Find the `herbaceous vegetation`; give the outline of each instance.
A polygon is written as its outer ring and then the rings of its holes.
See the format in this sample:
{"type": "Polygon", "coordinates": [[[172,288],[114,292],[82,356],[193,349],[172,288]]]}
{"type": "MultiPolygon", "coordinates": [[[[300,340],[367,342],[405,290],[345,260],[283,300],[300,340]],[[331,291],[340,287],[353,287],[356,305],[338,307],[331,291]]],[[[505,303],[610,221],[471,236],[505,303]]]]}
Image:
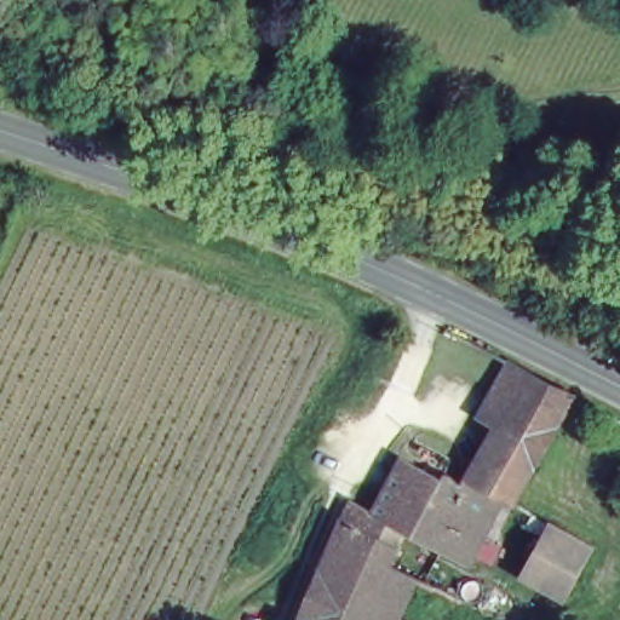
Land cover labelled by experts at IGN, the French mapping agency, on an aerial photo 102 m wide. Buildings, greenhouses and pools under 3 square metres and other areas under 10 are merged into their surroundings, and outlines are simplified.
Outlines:
{"type": "Polygon", "coordinates": [[[126,194],[53,172],[41,165],[22,167],[19,162],[5,162],[5,172],[12,172],[15,177],[27,174],[29,196],[44,211],[31,213],[22,223],[22,230],[36,228],[44,233],[56,233],[75,245],[109,247],[121,257],[136,254],[140,262],[150,266],[194,276],[199,283],[216,283],[220,286],[223,295],[259,303],[264,310],[271,310],[283,320],[305,320],[308,325],[315,325],[332,334],[332,349],[320,368],[320,375],[312,380],[305,395],[300,417],[286,438],[286,448],[274,465],[271,480],[264,487],[259,504],[254,506],[252,516],[245,523],[245,530],[235,543],[230,562],[220,574],[211,608],[203,620],[295,620],[303,596],[312,581],[327,540],[334,530],[334,523],[344,511],[344,496],[332,499],[329,484],[317,477],[317,446],[325,431],[329,431],[337,424],[339,417],[349,414],[351,419],[361,419],[375,409],[388,383],[392,380],[392,373],[402,354],[395,346],[380,341],[378,337],[385,329],[397,327],[400,320],[407,320],[404,310],[395,298],[375,288],[356,288],[334,276],[317,274],[312,269],[295,264],[291,266],[291,262],[283,257],[274,252],[262,252],[233,237],[206,242],[206,247],[201,247],[196,245],[199,220],[191,225],[182,218],[174,218],[172,213],[153,213],[148,206],[131,206],[124,199],[126,194]]]}
{"type": "Polygon", "coordinates": [[[448,383],[465,385],[470,390],[470,397],[482,404],[501,371],[501,363],[494,358],[499,358],[501,354],[496,344],[487,344],[470,337],[467,329],[450,332],[448,325],[438,325],[414,397],[426,400],[434,388],[434,380],[443,378],[448,383]]]}
{"type": "Polygon", "coordinates": [[[417,94],[417,107],[424,104],[436,116],[443,109],[450,109],[470,99],[475,90],[489,85],[489,80],[494,78],[501,80],[494,94],[499,124],[511,119],[511,97],[516,94],[518,99],[535,102],[540,107],[538,121],[552,133],[552,138],[567,140],[569,145],[574,140],[584,140],[589,143],[593,157],[601,150],[615,148],[620,131],[620,34],[608,34],[596,24],[584,22],[579,10],[569,0],[562,0],[540,29],[513,29],[509,17],[504,17],[501,12],[487,12],[480,0],[334,0],[344,10],[344,19],[349,22],[346,29],[351,29],[361,41],[351,61],[354,70],[349,75],[373,73],[378,61],[392,56],[402,34],[417,36],[421,44],[436,48],[446,70],[431,73],[431,78],[421,85],[417,94]]]}
{"type": "Polygon", "coordinates": [[[404,576],[412,576],[419,584],[409,596],[407,620],[620,620],[620,448],[591,455],[581,443],[584,412],[591,400],[584,395],[581,400],[572,402],[567,419],[562,421],[562,434],[552,436],[545,450],[540,453],[535,470],[530,472],[528,484],[523,487],[513,509],[504,530],[504,557],[494,564],[480,562],[448,564],[443,557],[426,555],[414,543],[402,543],[402,557],[395,562],[392,569],[404,576]],[[591,547],[591,555],[581,567],[579,581],[569,591],[564,605],[557,605],[555,601],[533,593],[518,579],[523,564],[528,562],[535,543],[545,530],[545,523],[584,540],[591,547]]]}
{"type": "Polygon", "coordinates": [[[7,216],[15,208],[15,196],[10,194],[7,182],[0,182],[0,245],[7,230],[7,216]]]}
{"type": "Polygon", "coordinates": [[[448,460],[453,438],[434,429],[414,424],[402,426],[388,443],[388,450],[397,458],[404,463],[414,463],[431,477],[450,477],[448,460]]]}
{"type": "Polygon", "coordinates": [[[363,480],[354,494],[361,506],[371,509],[380,489],[363,480]]]}

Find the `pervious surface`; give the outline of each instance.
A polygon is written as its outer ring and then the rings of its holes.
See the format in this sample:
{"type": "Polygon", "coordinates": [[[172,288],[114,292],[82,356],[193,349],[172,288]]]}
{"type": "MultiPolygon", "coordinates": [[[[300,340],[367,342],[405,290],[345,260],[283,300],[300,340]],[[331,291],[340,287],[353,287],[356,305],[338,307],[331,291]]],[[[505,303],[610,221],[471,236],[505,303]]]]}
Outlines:
{"type": "Polygon", "coordinates": [[[395,467],[397,458],[388,450],[388,443],[402,426],[414,424],[434,429],[453,438],[448,460],[450,477],[455,482],[463,482],[463,475],[467,472],[475,453],[487,438],[487,429],[477,424],[477,412],[482,404],[470,397],[470,390],[465,385],[448,383],[443,378],[434,380],[434,388],[426,400],[414,397],[438,325],[436,317],[429,312],[412,308],[404,310],[407,320],[414,332],[414,341],[402,354],[392,373],[392,380],[388,383],[375,409],[361,419],[351,419],[349,414],[339,417],[337,424],[329,431],[325,431],[317,446],[317,477],[329,484],[332,499],[344,496],[354,494],[363,480],[380,489],[390,470],[395,467]]]}

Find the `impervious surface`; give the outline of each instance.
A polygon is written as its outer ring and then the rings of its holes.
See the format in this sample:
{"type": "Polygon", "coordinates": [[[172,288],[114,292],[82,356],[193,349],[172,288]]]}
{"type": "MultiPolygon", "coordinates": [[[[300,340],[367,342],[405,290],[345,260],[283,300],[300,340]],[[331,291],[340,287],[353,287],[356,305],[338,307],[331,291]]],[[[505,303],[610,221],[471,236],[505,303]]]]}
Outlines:
{"type": "Polygon", "coordinates": [[[501,511],[489,530],[489,543],[480,547],[480,562],[494,564],[504,557],[504,530],[513,509],[499,501],[501,511]]]}
{"type": "Polygon", "coordinates": [[[107,150],[92,133],[53,133],[41,124],[27,121],[19,111],[0,111],[0,155],[5,162],[19,162],[22,167],[41,165],[53,172],[126,194],[128,179],[121,174],[116,160],[102,157],[107,150]]]}
{"type": "Polygon", "coordinates": [[[501,305],[499,300],[487,298],[472,283],[455,281],[453,271],[429,271],[417,259],[375,259],[373,254],[363,254],[358,274],[337,269],[334,276],[356,288],[375,288],[395,298],[404,310],[412,308],[429,312],[436,317],[438,325],[448,325],[450,332],[467,329],[470,337],[487,344],[496,344],[501,354],[526,363],[528,368],[547,378],[555,378],[564,385],[574,385],[584,395],[591,400],[620,407],[620,368],[613,363],[613,358],[589,354],[586,346],[579,341],[569,346],[550,334],[543,334],[533,322],[530,310],[518,305],[501,305]]]}
{"type": "Polygon", "coordinates": [[[274,235],[274,252],[283,257],[298,245],[295,230],[274,235]]]}

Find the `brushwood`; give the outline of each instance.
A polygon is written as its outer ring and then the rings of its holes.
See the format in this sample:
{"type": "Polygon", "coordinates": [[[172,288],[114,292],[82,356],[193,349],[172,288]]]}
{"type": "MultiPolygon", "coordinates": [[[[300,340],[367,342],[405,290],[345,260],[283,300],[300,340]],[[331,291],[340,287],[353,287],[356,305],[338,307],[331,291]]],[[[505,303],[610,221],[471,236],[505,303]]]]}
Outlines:
{"type": "Polygon", "coordinates": [[[5,162],[0,155],[0,182],[7,182],[10,194],[15,196],[15,208],[7,216],[7,230],[0,245],[0,279],[12,249],[17,247],[22,230],[22,223],[31,213],[44,211],[29,196],[27,174],[15,177],[12,172],[5,172],[5,162]]]}

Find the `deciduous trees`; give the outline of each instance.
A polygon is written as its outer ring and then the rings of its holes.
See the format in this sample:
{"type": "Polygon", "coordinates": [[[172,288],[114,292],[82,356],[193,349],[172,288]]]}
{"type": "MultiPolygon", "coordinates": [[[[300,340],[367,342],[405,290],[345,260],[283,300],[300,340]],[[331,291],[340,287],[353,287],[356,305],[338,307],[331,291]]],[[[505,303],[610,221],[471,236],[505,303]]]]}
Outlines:
{"type": "Polygon", "coordinates": [[[591,455],[620,448],[620,407],[591,400],[584,412],[581,443],[591,455]]]}
{"type": "Polygon", "coordinates": [[[400,320],[397,327],[385,329],[378,337],[380,341],[395,346],[402,354],[414,341],[414,332],[407,320],[400,320]]]}
{"type": "Polygon", "coordinates": [[[608,34],[620,34],[620,0],[569,0],[579,10],[584,22],[596,24],[608,34]]]}
{"type": "Polygon", "coordinates": [[[504,17],[509,17],[513,29],[540,29],[562,0],[480,0],[487,12],[501,12],[504,17]]]}
{"type": "Polygon", "coordinates": [[[334,0],[0,0],[0,111],[19,111],[27,121],[41,124],[53,133],[92,133],[107,150],[102,157],[116,160],[121,174],[128,179],[126,194],[124,199],[131,206],[148,206],[153,213],[172,213],[174,218],[182,218],[191,225],[199,220],[196,245],[201,247],[206,247],[206,242],[233,237],[262,252],[274,252],[274,235],[295,230],[298,245],[283,257],[291,262],[291,266],[295,264],[312,269],[317,274],[334,276],[337,269],[358,274],[363,254],[373,254],[375,259],[417,259],[429,271],[453,271],[455,281],[472,283],[487,298],[499,300],[501,305],[518,305],[530,310],[533,322],[543,334],[550,334],[569,346],[579,341],[586,346],[589,354],[613,358],[613,363],[620,368],[620,131],[615,148],[601,150],[593,157],[589,143],[584,140],[574,140],[569,145],[567,140],[552,138],[552,133],[538,121],[540,107],[535,102],[518,99],[516,94],[511,97],[511,119],[499,124],[494,94],[501,80],[494,78],[489,80],[489,85],[475,90],[470,99],[450,109],[443,109],[436,116],[424,104],[417,107],[417,94],[421,85],[431,78],[431,73],[446,70],[436,48],[421,44],[417,36],[402,34],[392,56],[378,61],[373,73],[349,75],[354,70],[351,61],[361,41],[351,29],[346,29],[349,22],[344,19],[344,10],[334,0]]]}

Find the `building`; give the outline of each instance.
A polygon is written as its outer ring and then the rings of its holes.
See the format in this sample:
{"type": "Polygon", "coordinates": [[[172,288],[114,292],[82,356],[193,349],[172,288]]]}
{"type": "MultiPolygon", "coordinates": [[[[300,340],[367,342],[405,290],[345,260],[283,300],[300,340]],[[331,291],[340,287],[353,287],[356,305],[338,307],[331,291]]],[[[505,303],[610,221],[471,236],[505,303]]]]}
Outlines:
{"type": "Polygon", "coordinates": [[[562,434],[562,421],[567,419],[572,402],[581,400],[584,395],[574,385],[564,385],[555,378],[547,378],[528,368],[526,363],[501,354],[499,358],[494,358],[501,363],[501,371],[482,404],[477,412],[477,424],[487,429],[487,438],[475,453],[467,472],[463,475],[463,482],[455,482],[450,477],[431,477],[414,463],[404,463],[397,458],[395,467],[390,470],[380,489],[371,509],[361,506],[354,494],[344,496],[344,511],[334,523],[334,530],[327,540],[312,581],[303,596],[295,620],[407,620],[409,596],[419,584],[412,576],[404,576],[392,569],[395,562],[402,557],[402,543],[414,543],[426,555],[443,557],[448,564],[480,562],[480,547],[489,543],[489,530],[501,511],[499,501],[513,509],[523,487],[528,484],[530,472],[535,470],[540,453],[545,450],[552,436],[562,434]]]}
{"type": "Polygon", "coordinates": [[[584,540],[545,523],[545,530],[535,543],[528,562],[523,564],[518,579],[533,593],[555,601],[557,605],[564,605],[569,591],[579,581],[581,567],[591,555],[591,547],[584,540]]]}

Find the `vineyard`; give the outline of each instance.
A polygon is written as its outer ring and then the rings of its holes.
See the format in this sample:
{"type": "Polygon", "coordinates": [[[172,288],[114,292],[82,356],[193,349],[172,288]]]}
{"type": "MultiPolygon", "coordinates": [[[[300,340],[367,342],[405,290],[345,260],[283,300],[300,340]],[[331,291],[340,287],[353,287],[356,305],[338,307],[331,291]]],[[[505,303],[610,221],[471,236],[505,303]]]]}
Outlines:
{"type": "Polygon", "coordinates": [[[252,516],[254,506],[259,504],[264,487],[271,480],[274,465],[286,448],[286,438],[300,417],[305,395],[312,380],[320,375],[320,368],[332,349],[332,334],[315,325],[308,325],[305,320],[283,320],[271,310],[264,310],[259,303],[223,295],[220,286],[216,283],[199,283],[194,276],[150,266],[140,262],[136,254],[121,257],[109,247],[75,245],[56,233],[44,233],[36,228],[22,230],[17,247],[12,249],[0,279],[0,620],[203,620],[211,608],[220,574],[230,562],[235,543],[245,530],[245,523],[252,516]]]}

